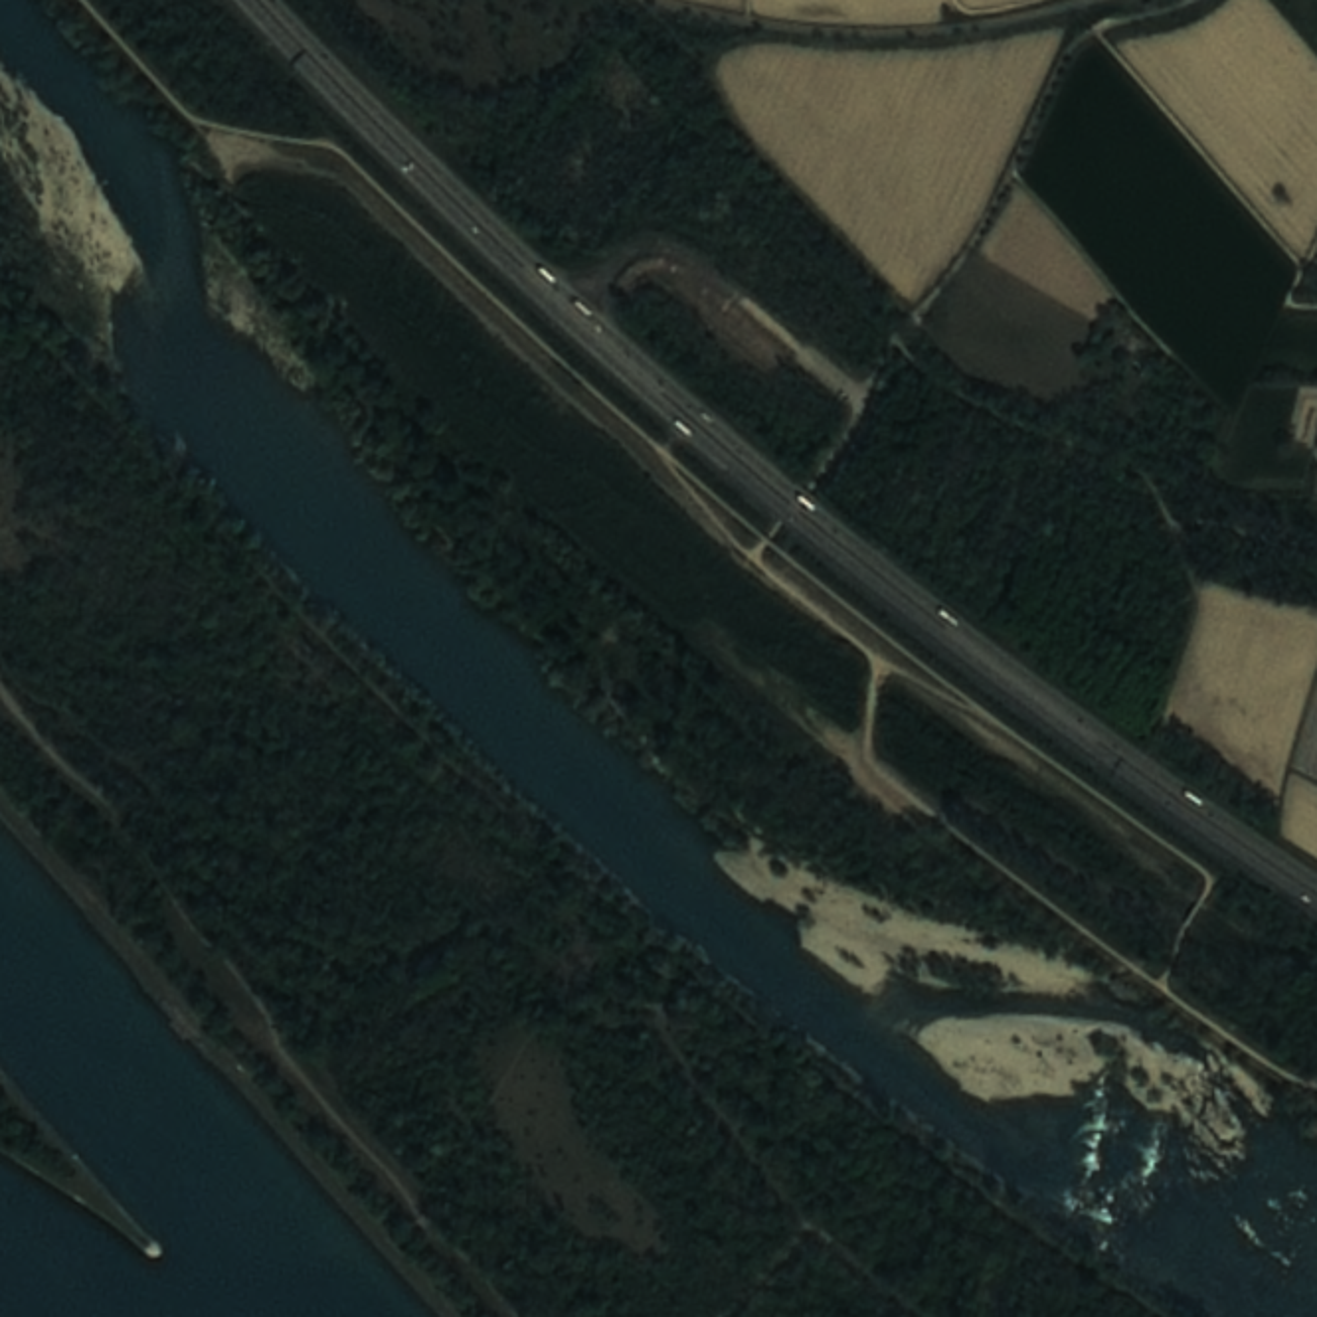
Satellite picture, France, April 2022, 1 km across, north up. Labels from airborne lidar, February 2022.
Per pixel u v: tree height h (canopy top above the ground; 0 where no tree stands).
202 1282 0
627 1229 0
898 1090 0
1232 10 0
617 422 0
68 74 0
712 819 15
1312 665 0
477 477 13
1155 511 18
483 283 0
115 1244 0
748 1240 17
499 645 0
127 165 0
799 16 0
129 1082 0
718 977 11
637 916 8
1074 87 0
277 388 0
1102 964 10
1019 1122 0
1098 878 0
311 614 11
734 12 0
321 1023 10
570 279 0
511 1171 8
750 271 13
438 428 13
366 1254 0
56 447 12
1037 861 17
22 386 15
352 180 0
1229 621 0
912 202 0
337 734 13
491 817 15
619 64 0
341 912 17
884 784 0
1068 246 0
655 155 8
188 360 0
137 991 0
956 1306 18
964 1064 0
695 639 0
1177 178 0
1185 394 10
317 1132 12
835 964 0
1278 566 21
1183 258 0
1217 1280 0
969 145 0
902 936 0
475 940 17
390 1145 18
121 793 22
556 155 10
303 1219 0
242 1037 12
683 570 0
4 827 0
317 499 0
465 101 17
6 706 0
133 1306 0
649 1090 15
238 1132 0
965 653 0
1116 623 0
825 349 0
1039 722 0
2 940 0
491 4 0
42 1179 0
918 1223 13
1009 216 0
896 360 18
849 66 0
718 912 0
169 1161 0
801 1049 10
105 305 0
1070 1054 0
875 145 0
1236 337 0
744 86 0
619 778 0
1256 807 14
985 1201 18
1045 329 0
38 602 16
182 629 13
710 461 0
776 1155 18
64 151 0
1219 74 0
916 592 0
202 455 0
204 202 11
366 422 22
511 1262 9
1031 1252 11
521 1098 0
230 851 22
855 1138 20
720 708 8
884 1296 14
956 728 0
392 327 0
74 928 0
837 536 0
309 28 0
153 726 16
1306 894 0
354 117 0
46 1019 0
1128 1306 8
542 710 0
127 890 16
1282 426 0
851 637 0
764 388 11
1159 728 14
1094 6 0
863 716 0
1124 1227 0
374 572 0
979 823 17
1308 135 0
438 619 0
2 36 0
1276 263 0
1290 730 0
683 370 21
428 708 18
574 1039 10
